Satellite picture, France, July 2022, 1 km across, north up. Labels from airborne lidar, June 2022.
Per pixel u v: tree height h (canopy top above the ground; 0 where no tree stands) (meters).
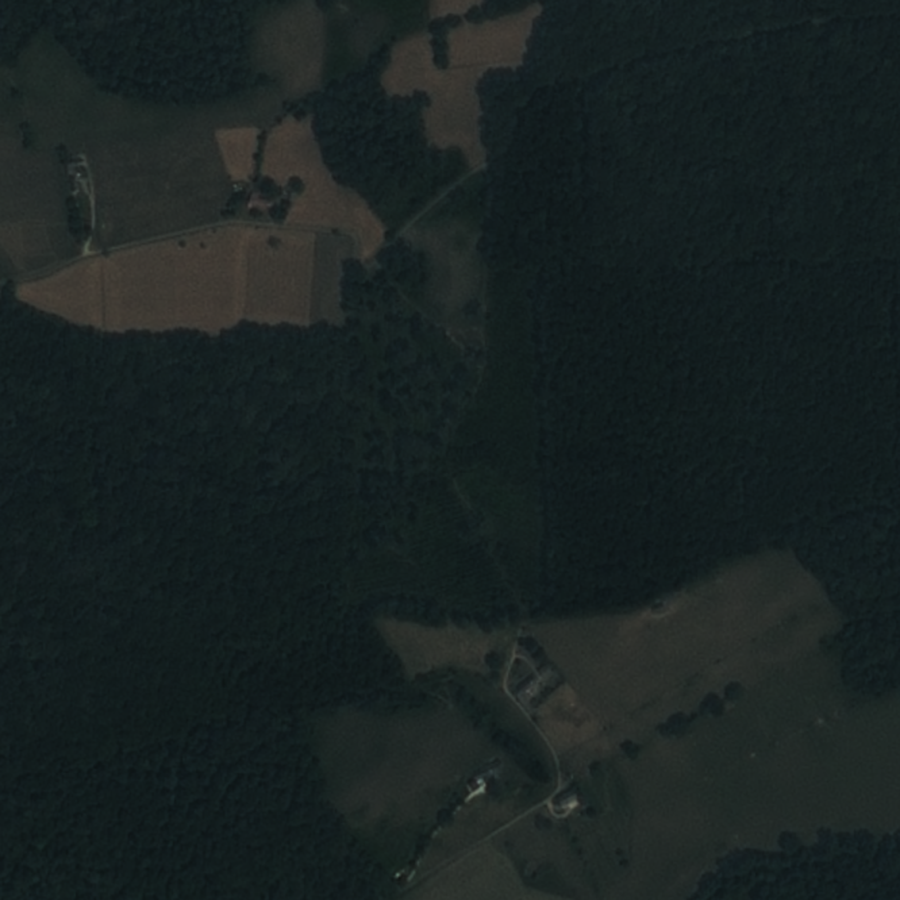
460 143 0
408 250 23
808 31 23
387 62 12
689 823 0
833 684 0
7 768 25
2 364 20
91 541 25
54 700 26
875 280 15
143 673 23
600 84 26
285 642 20
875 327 13
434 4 0
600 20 32
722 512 14
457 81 0
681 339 16
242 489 31
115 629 31
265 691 23
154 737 24
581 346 25
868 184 25
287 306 0
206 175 0
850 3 27
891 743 0
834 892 24
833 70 25
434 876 0
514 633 0
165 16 31
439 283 0
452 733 0
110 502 27
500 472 6
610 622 0
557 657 0
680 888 0
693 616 0
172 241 0
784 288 16
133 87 28
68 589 26
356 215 0
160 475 24
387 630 0
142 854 27
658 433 24
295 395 25
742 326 13
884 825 0
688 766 0
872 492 7
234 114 0
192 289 0
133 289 0
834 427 15
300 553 28
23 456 26
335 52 0
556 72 18
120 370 26
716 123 30
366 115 31
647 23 27
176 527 30
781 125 27
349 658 17
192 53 18
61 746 36
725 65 32
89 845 23
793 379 13
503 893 0
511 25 0
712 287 13
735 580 0
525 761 15
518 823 0
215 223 0
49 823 27
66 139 0
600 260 25
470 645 0
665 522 28
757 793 0
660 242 22
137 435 25
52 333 17
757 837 0
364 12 0
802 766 0
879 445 16
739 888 21
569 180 28
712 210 26
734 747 0
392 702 8
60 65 0
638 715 0
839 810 0
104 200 0
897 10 18
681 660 0
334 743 0
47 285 0
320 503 31
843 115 24
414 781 0
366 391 21
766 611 0
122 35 35
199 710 24
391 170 32
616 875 0
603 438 26
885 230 20
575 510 24
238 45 23
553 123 30
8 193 0
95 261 0
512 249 25
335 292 0
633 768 0
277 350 22
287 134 0
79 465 31
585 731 0
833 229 25
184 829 22
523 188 32
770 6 26
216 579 21
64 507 20
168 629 26
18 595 20
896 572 23
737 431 15
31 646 28
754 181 21
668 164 23
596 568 25
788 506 17
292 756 24
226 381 14
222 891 24
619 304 21
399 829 0
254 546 29
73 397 30
